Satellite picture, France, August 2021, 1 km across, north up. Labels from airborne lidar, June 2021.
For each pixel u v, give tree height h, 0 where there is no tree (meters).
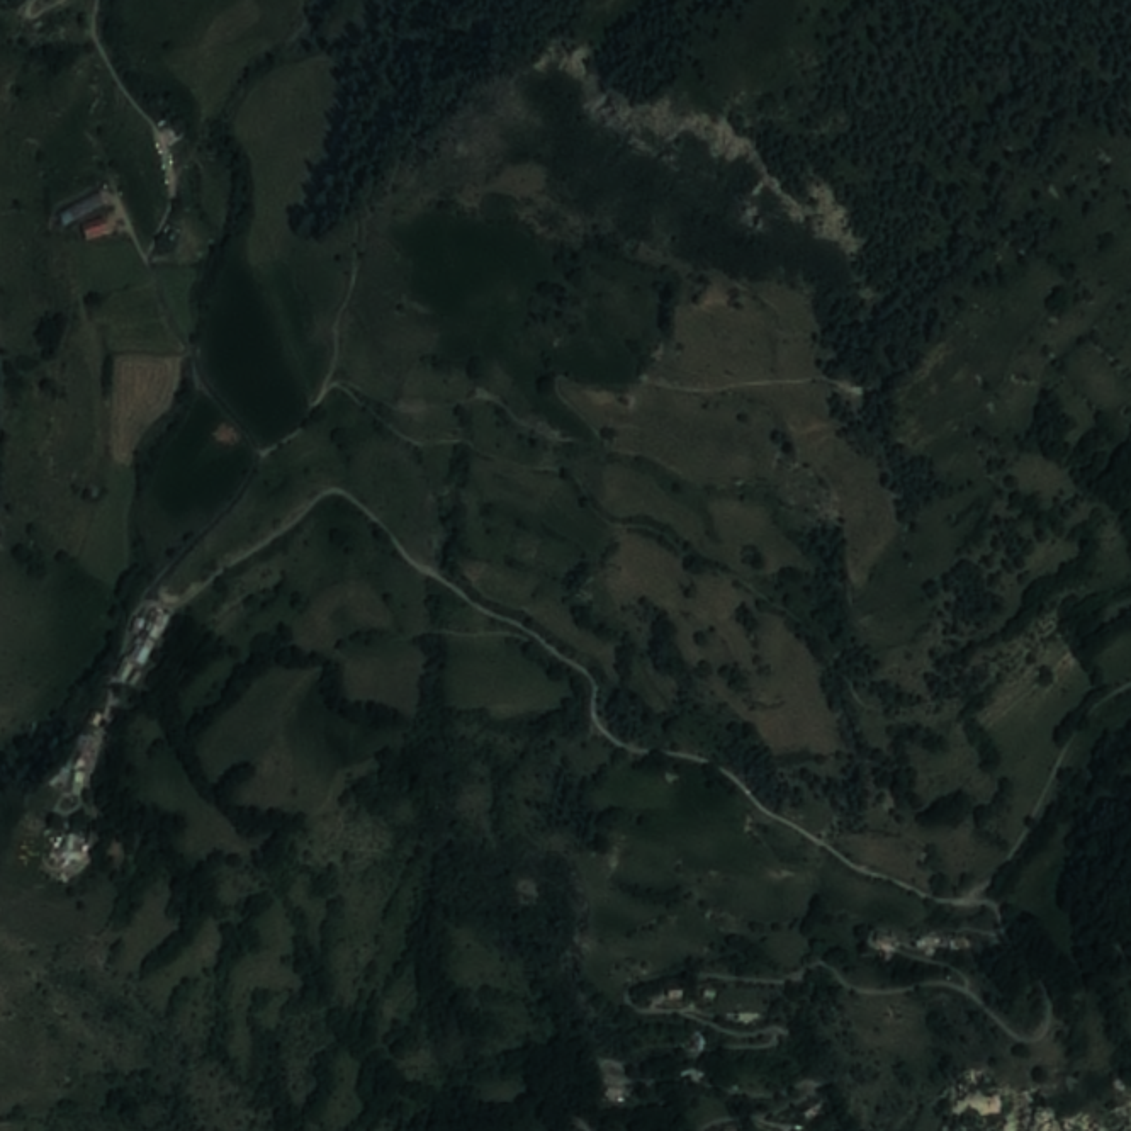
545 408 0
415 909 6
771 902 0
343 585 0
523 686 0
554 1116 20
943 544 0
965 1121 9
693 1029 9
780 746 0
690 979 15
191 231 0
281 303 0
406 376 0
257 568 0
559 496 0
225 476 0
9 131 0
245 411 0
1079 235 0
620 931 0
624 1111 7
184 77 0
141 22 0
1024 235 22
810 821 0
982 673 10
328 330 0
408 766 9
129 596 13
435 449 0
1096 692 10
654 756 12
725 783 7
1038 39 20
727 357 0
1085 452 20
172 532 0
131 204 0
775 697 0
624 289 0
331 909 12
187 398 11
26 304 0
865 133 14
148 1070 8
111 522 0
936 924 7
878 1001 0
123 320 0
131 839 14
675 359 0
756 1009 0
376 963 8
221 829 0
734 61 0
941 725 0
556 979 5
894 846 0
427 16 13
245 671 18
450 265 0
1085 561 13
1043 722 0
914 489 13
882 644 0
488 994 12
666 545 6
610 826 13
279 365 0
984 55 14
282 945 0
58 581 0
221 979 7
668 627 11
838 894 0
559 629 0
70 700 9
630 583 0
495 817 6
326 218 20
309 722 0
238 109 0
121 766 14
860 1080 6
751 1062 17
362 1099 12
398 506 0
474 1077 16
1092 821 21
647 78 13
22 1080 0
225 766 0
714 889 0
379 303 0
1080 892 18
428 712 12
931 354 0
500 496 0
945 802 11
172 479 0
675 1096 15
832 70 13
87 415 0
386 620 0
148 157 0
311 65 0
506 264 0
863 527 0
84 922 0
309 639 0
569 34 9
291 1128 11
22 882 0
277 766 0
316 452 0
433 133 16
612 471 0
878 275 17
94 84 0
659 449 0
